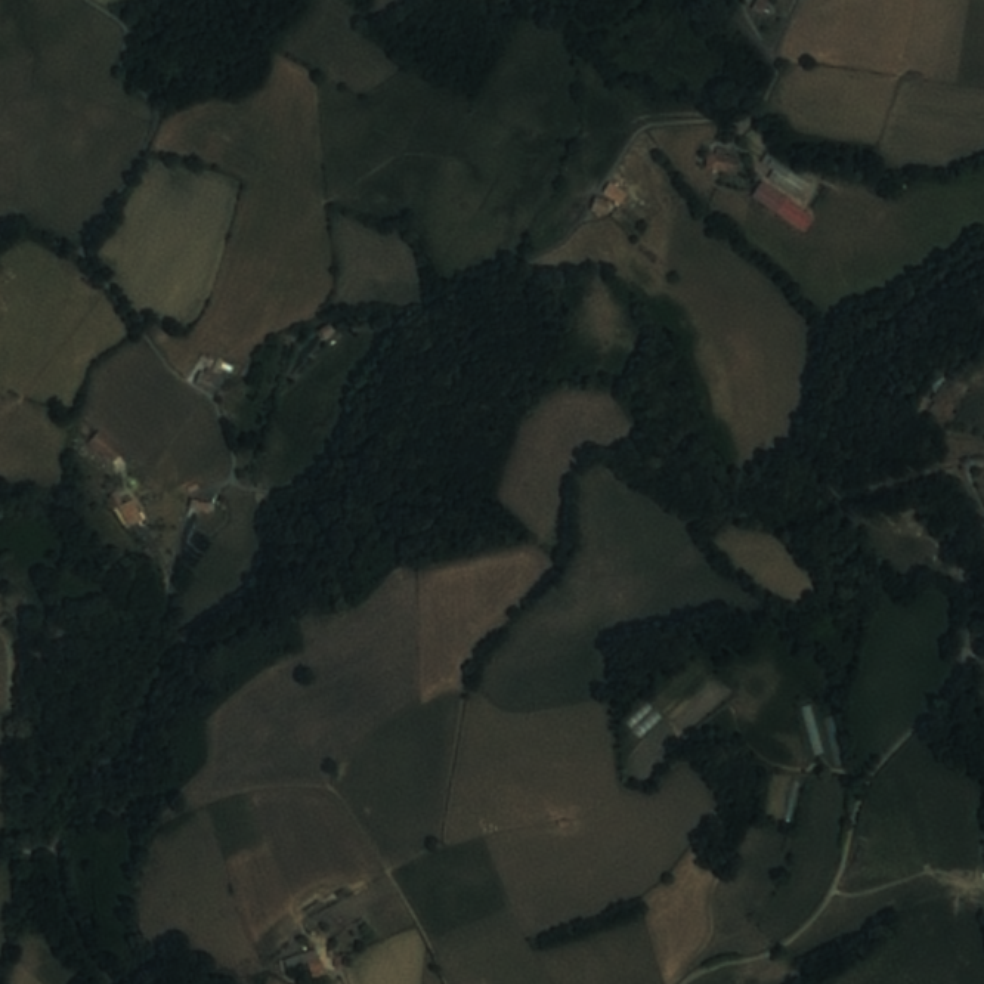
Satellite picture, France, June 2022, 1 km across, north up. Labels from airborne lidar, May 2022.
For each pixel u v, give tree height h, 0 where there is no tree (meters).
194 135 0
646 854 0
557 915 0
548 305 19
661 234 0
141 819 19
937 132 0
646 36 0
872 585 31
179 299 0
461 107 0
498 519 21
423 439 16
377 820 0
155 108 10
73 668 20
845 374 25
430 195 0
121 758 16
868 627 21
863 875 0
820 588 16
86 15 0
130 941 14
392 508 20
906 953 0
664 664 24
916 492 17
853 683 13
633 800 0
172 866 0
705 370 0
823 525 20
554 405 0
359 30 15
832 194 0
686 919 0
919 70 0
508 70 0
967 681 19
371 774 0
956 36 0
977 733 18
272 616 16
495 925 0
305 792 0
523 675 0
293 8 13
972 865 0
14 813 20
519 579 0
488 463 23
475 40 13
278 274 0
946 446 12
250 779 0
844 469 20
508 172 0
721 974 0
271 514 15
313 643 0
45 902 13
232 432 13
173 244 0
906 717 0
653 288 0
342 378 0
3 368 0
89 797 21
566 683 0
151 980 21
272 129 0
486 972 0
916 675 0
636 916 16
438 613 0
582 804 0
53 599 12
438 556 12
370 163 0
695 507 26
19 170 0
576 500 18
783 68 9
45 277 0
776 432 0
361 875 0
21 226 20
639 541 0
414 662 0
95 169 0
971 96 0
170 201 0
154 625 27
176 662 20
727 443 0
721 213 6
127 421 0
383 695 0
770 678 0
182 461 0
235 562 0
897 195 12
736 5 15
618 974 0
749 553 0
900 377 12
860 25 0
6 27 0
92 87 0
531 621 0
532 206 0
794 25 0
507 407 18
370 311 11
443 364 25
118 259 0
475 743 0
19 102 0
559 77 0
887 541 0
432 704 0
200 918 0
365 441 19
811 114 0
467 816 0
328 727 0
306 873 0
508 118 0
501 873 0
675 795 0
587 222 0
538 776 0
